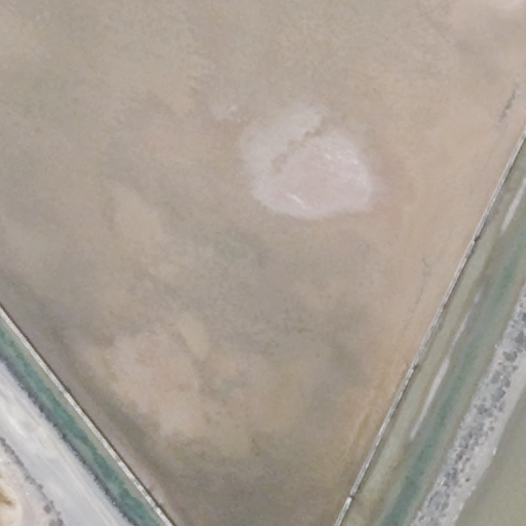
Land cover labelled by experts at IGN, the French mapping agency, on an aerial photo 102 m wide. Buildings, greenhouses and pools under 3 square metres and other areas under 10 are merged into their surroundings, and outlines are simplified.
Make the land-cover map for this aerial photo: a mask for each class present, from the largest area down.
<instances>
[{"label":"water","instance_id":"1","mask_svg":"<svg viewBox=\"0 0 526 526\"><path fill-rule=\"evenodd\" d=\"M526 177V0H0V308L21 331V335L29 341V345L37 351V355L43 360L49 372L60 380L66 392L76 401V405L90 419L97 431L107 440L115 456L125 464V468H129L132 477L138 483L148 475L154 479L150 487H146V495L152 499L154 508H158L166 516V520L173 526H411L417 510L423 503L425 493L434 485L438 471L454 442L460 421L468 411L479 380L483 378L493 360L495 347L503 337V329L512 316L514 304L520 296V288L526 275V195L518 208V214L510 230L505 232L501 228V222L522 179ZM388 411L392 413L390 423L380 444L376 446L374 458L358 491L349 493V487L362 462L366 460L374 436L386 419ZM0 362L6 366L10 376L16 380L18 388L39 409L45 421L58 431L68 450L95 479V483L105 493L109 503L123 516V520L129 526H160L158 518L146 508V503L140 497H136L127 489L125 477L115 466H111L105 454H101L97 444L78 425L66 403L58 399L53 388L45 382L41 372L31 362V358L23 351V347L0 323ZM454 526H526V386L501 431L495 456L491 458L471 497L464 501V508L458 514Z\"/></svg>","mask_w":526,"mask_h":526},{"label":"pervious surface","instance_id":"2","mask_svg":"<svg viewBox=\"0 0 526 526\"><path fill-rule=\"evenodd\" d=\"M526 195V177L522 179L501 222V228L505 232L510 230L518 214V208ZM526 386V275L520 288V296L514 304L512 316L503 329V337L495 347L493 360L483 378L479 380L468 411L460 421L454 442L438 471L434 485L425 493L423 503L417 510L411 526H454L458 514L464 508V501L471 497L491 458L495 456L501 431ZM0 323L23 347V351L31 358V362L41 372L45 382L53 388L58 399L66 403L78 425L97 444L101 454H105L111 466H115L125 477L127 489L136 497H140L146 503V508L158 518L160 526H173L166 520V516L158 508H154L152 499L146 495V487H150L154 479L148 475L138 483L132 477L129 468H125V464L115 456L107 440L97 431L90 419L76 405V401L66 392L60 380L49 372L43 360L37 355V351L29 345V341L21 335V331L0 308ZM0 526H129L123 520V516L109 503L105 493L95 483V479L68 450L58 431L45 421L39 409L18 388L16 380L10 376L6 366L0 362ZM392 413L388 411L386 419L374 436L366 460L362 462L349 487V493L358 491L374 458L376 446L380 444L390 423Z\"/></svg>","mask_w":526,"mask_h":526}]
</instances>
